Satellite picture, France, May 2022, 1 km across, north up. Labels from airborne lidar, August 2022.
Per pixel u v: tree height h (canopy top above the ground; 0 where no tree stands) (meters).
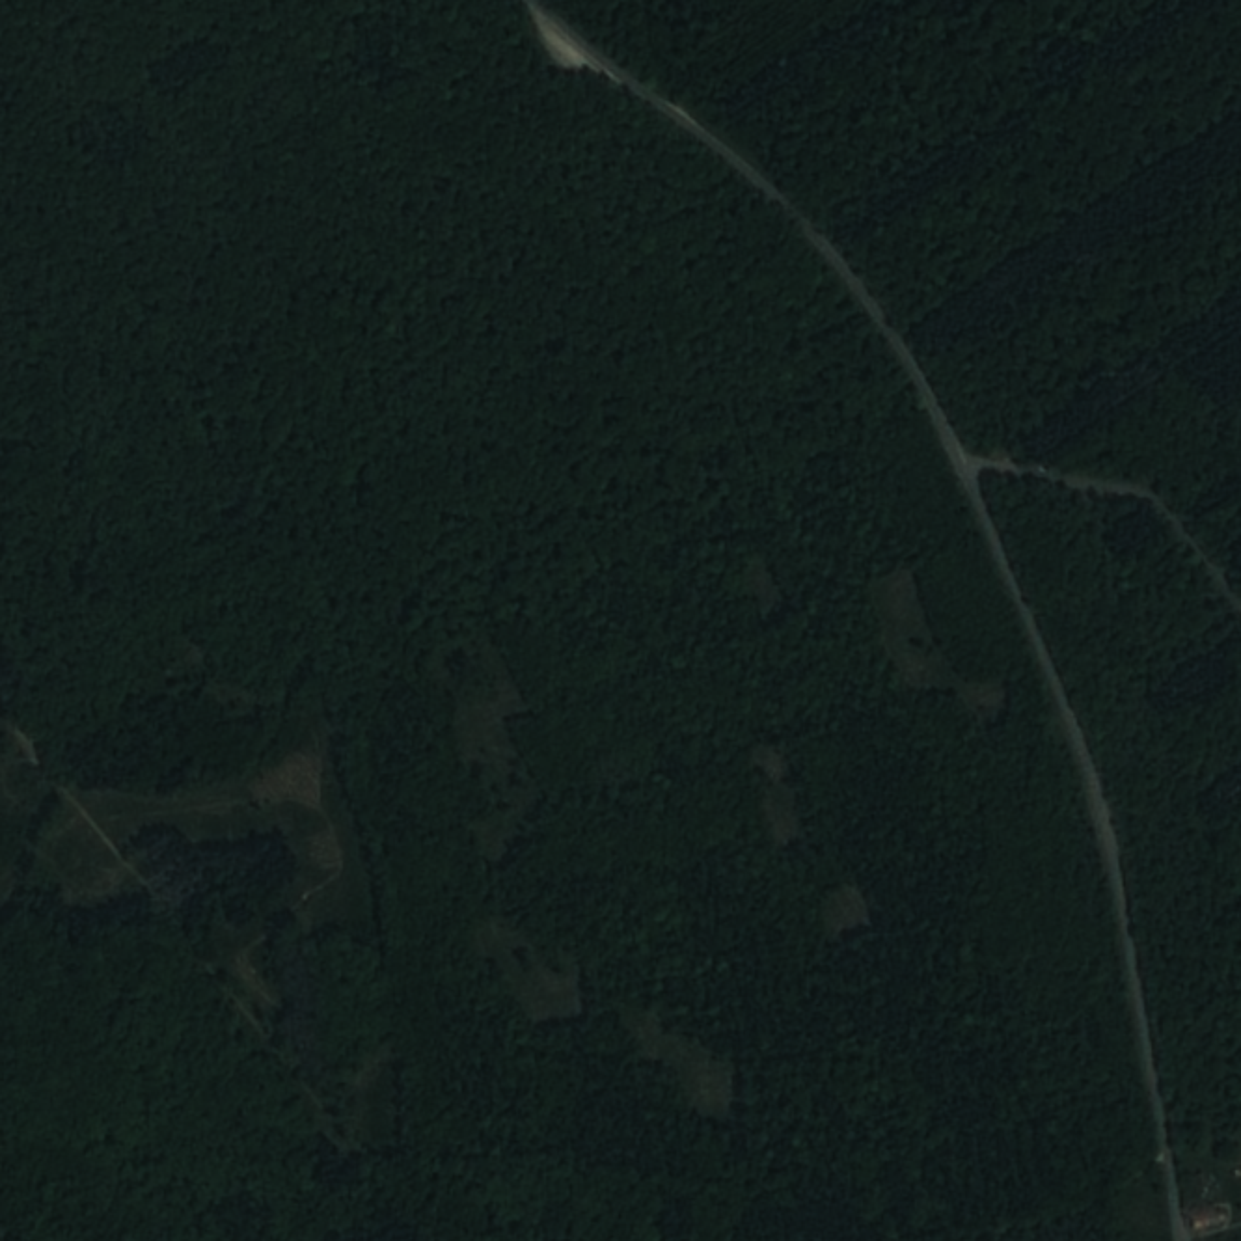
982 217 23
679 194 22
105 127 20
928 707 11
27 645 19
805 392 16
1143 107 17
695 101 13
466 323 20
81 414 22
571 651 13
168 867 19
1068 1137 12
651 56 13
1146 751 15
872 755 13
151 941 20
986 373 16
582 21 14
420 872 15
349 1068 19
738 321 18
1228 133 21
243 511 29
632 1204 15
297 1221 16
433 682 16
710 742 12
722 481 24
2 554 20
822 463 12
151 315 22
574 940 12
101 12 20
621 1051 14
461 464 17
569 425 17
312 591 23
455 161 17
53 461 19
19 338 24
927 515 11
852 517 13
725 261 22
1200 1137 9
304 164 19
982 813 13
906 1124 12
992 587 12
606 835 14
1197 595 19
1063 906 10
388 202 15
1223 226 18
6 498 21
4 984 23
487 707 0
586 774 13
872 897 15
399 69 20
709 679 12
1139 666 19
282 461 19
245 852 22
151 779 16
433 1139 13
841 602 18
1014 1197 18
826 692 14
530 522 17
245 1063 21
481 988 16
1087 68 19
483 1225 19
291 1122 23
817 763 13
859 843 14
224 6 16
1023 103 18
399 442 17
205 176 20
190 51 21
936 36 19
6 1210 10
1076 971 10
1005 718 12
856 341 21
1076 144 18
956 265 19
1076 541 20
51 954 18
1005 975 9
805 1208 19
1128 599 18
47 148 20
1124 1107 13
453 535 19
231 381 21
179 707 11
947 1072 13
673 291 21
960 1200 15
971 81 19
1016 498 18
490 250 12
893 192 18
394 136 18
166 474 19
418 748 7
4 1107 22
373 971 18
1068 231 21
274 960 18
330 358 16
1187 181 19
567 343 19
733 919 14
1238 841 20
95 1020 19
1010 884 11
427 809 13
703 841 14
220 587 18
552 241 23
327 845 0
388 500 20
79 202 21
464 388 15
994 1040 13
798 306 17
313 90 16
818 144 22
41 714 16
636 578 13
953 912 13
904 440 12
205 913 15
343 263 22
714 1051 16
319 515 16
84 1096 24
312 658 17
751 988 14
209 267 19
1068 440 21
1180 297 15
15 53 17
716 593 14
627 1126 14
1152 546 17
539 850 14
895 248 18
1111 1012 11
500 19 21
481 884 15
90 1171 6
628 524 18
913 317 18
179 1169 17
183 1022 15
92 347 16
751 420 19
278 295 19
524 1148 13
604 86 16
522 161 17
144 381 21
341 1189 21
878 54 17
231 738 13
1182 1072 15
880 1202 18
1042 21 23
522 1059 16
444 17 25
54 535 21
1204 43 16
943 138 14
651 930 15
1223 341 22
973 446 11
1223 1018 19
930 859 16
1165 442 15
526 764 12
